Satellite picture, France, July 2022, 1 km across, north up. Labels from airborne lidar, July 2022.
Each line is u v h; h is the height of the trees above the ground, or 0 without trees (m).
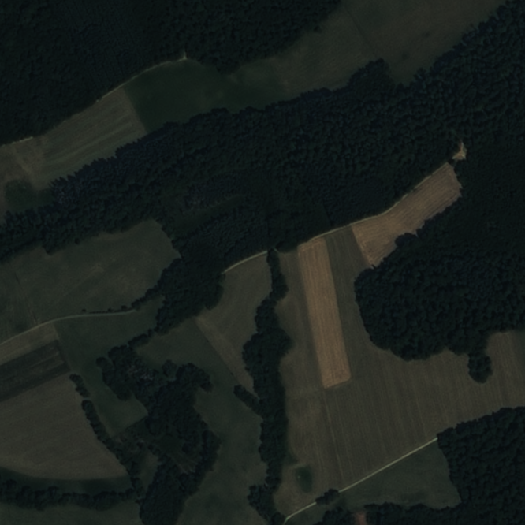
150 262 0
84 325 0
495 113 25
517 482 27
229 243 17
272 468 13
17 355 0
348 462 0
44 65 22
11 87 20
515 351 0
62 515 0
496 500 29
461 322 11
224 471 0
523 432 7
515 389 0
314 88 0
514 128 21
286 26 19
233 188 15
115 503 16
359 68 0
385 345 19
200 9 23
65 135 0
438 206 0
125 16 12
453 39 0
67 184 28
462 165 14
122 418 0
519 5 23
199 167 25
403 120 13
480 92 31
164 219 10
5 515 0
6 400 0
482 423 17
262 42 22
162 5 12
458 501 0
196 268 20
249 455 0
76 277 0
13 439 0
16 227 8
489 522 26
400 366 0
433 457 0
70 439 0
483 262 26
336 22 0
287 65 0
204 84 0
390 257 7
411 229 0
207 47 6
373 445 0
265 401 21
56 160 0
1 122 20
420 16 0
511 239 16
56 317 0
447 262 23
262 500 22
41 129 20
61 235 18
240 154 24
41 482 0
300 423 0
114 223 16
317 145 28
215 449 17
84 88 16
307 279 0
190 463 0
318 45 0
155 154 22
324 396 0
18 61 16
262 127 26
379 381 0
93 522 0
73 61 21
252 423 0
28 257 0
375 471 0
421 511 20
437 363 0
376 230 0
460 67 30
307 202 6
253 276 0
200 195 15
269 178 15
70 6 14
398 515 24
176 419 24
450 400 0
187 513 0
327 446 0
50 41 21
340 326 0
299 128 27
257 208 14
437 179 0
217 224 18
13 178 0
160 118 0
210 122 20
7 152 0
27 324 0
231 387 0
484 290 31
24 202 0
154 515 22
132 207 22
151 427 28
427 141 15
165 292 17
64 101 22
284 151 25
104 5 13
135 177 28
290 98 0
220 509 0
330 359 0
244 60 18
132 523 0
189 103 0
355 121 32
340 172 21
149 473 0
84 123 0
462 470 27
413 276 28
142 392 20
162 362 0
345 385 0
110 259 0
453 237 16
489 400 0
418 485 0
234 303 0
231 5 19
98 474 0
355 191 18
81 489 0
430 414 0
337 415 0
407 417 0
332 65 0
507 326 15
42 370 0
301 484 0
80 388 7
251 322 0
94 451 0
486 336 18
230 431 0
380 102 7
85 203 23
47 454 0
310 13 19
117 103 0
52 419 0
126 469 12
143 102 0
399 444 0
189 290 15
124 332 0
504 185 16
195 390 16
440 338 26
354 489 0
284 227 14
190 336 0
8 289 0
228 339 0
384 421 0
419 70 0
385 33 0
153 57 12
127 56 21
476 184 13
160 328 13
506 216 14
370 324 20
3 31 19
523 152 16
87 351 0
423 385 0
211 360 0
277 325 24
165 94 0
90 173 25
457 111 30
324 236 0
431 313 31
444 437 17
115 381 19
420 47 0
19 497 18
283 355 18
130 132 0
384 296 24
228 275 0
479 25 0
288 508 0
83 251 0
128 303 0
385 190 19
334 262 0
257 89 0
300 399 0
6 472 0
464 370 0
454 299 32
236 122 12
